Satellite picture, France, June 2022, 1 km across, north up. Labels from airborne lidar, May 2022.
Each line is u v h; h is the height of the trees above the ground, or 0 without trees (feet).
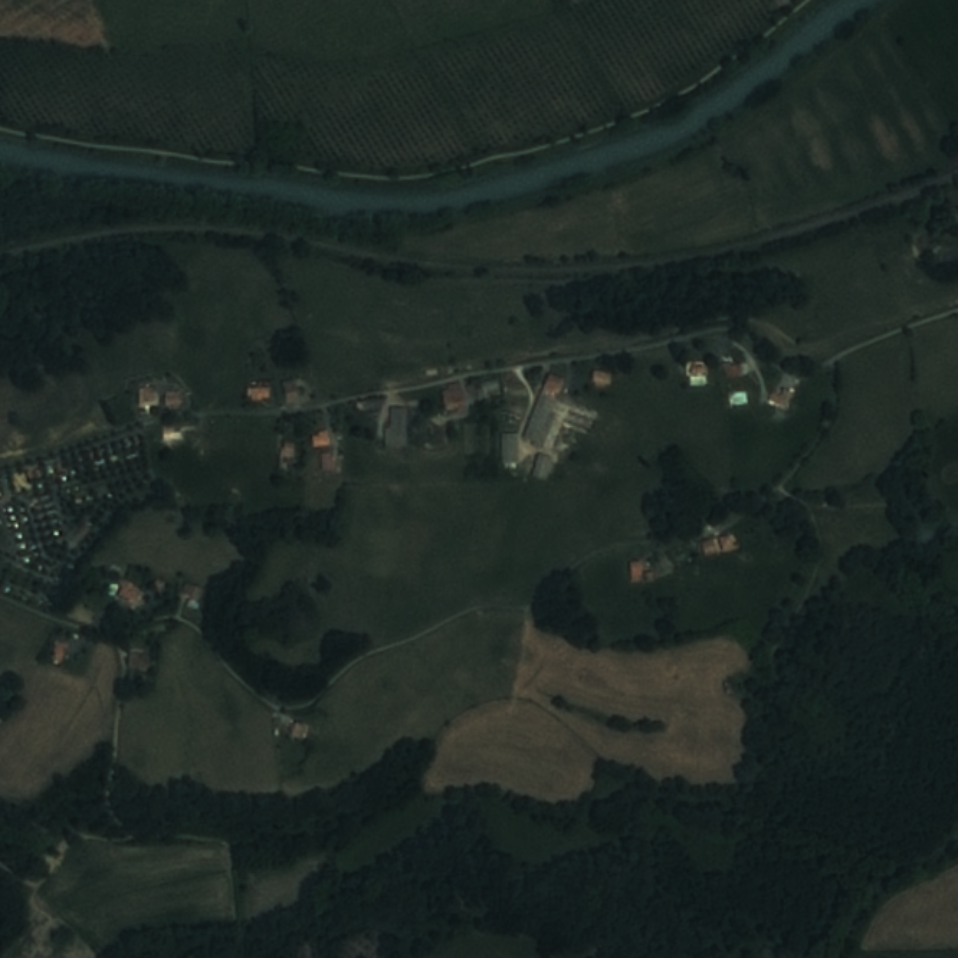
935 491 0
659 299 27
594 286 51
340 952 52
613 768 31
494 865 89
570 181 37
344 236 76
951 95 0
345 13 0
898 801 68
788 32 0
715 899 55
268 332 0
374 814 37
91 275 70
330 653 28
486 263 0
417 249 0
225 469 0
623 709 0
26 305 56
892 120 0
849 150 0
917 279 0
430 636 0
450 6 0
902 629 30
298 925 70
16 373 70
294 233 66
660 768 0
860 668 31
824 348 0
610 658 0
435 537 0
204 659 0
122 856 0
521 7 0
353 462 0
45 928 0
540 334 0
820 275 0
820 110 0
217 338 0
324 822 26
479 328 0
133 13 0
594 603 0
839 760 31
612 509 0
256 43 0
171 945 29
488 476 19
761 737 63
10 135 0
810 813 54
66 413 0
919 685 59
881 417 0
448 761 0
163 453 25
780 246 39
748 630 31
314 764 0
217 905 0
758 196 0
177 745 0
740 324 45
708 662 0
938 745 46
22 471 19
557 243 0
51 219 54
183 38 0
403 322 0
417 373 0
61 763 0
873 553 53
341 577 0
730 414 0
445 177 27
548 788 0
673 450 43
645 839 62
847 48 0
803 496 27
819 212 0
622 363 63
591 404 0
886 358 0
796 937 78
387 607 0
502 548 0
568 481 0
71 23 92
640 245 0
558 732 0
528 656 0
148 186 75
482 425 20
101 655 0
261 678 25
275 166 46
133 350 0
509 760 0
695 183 0
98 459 24
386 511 0
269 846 57
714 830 58
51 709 0
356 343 0
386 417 0
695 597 0
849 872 75
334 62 0
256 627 44
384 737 0
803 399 0
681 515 54
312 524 26
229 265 0
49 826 79
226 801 68
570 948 51
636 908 74
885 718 39
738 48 22
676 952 70
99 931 0
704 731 0
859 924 31
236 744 0
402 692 0
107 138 20
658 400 0
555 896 85
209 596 50
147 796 37
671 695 0
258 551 51
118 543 0
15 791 0
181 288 79
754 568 0
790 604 43
